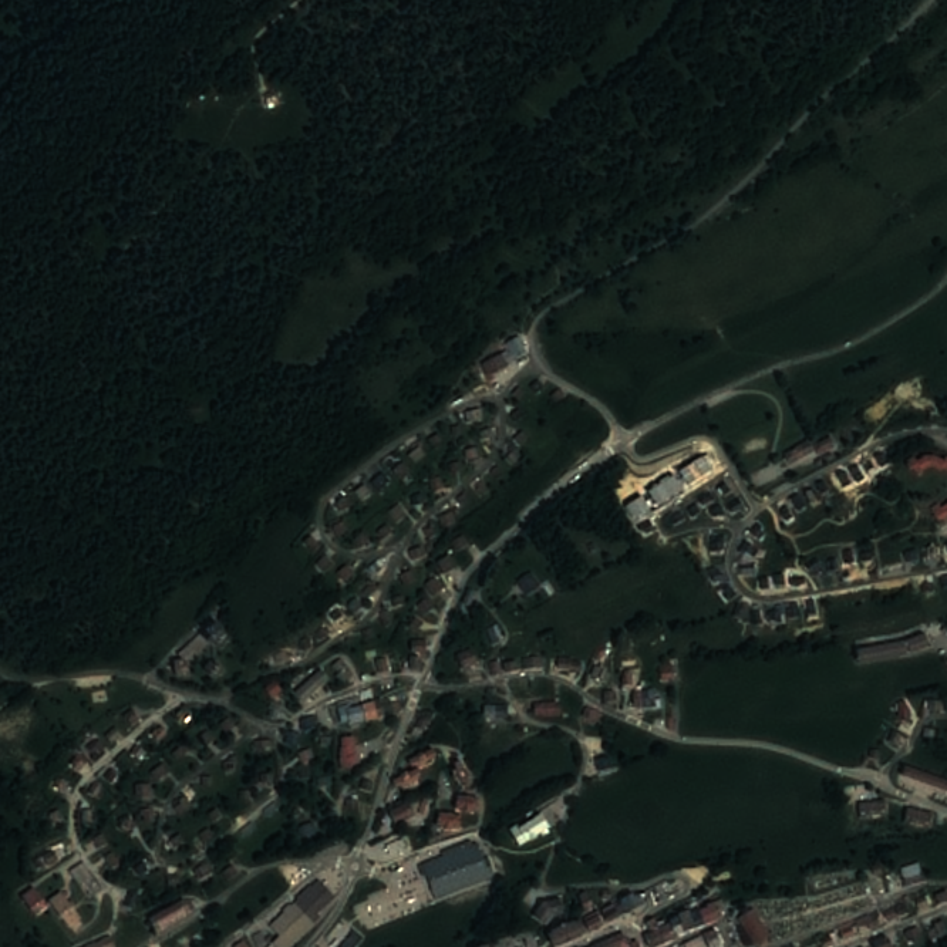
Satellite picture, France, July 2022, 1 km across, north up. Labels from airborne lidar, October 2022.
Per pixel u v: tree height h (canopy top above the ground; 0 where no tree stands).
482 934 20
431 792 11
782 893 7
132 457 15
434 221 20
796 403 19
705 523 0
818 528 0
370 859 0
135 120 18
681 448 0
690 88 17
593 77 13
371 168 20
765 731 0
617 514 13
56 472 11
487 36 20
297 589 0
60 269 17
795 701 0
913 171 0
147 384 16
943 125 0
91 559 21
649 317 0
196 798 0
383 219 10
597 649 0
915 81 18
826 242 0
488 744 0
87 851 0
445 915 0
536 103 0
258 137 0
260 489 18
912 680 0
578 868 0
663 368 0
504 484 9
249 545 17
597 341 11
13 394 20
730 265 0
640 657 0
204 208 21
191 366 18
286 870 0
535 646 0
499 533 0
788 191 0
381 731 0
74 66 25
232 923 0
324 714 0
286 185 11
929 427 0
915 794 0
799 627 0
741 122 15
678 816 0
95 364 14
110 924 0
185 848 8
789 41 21
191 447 13
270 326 19
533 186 16
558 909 0
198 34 18
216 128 0
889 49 18
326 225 10
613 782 0
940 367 0
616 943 0
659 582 0
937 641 0
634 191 15
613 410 0
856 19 19
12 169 23
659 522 0
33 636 12
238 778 0
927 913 0
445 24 26
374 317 15
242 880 0
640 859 0
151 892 6
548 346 0
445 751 0
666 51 10
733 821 0
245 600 0
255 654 0
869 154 0
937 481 0
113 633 19
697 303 0
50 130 25
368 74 20
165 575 25
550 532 17
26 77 27
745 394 0
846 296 0
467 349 17
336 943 0
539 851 0
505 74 19
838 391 0
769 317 0
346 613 8
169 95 18
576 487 8
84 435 6
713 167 13
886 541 0
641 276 0
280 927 0
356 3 16
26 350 12
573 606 0
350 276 0
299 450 17
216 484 13
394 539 0
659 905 0
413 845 0
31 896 0
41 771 9
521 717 0
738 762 0
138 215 19
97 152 22
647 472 0
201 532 17
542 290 0
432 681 0
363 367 12
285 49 19
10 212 19
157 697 0
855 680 0
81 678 0
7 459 8
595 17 16
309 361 0
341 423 18
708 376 0
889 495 9
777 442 0
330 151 11
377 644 0
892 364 0
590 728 0
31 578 24
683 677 0
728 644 0
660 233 17
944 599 0
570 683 0
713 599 0
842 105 6
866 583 0
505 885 16
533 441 0
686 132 16
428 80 19
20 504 19
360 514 9
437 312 16
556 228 13
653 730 0
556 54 21
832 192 0
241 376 12
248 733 0
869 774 0
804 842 0
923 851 0
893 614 0
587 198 15
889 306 0
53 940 0
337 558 0
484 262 19
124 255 22
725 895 0
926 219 0
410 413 0
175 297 14
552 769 0
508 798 0
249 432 15
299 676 6
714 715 0
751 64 8
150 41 20
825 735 0
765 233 0
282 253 21
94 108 22
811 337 0
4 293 12
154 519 15
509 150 16
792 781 0
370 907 0
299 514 13
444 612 0
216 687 9
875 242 0
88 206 19
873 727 0
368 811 0
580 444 0
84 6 30
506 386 0
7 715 0
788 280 0
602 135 21
